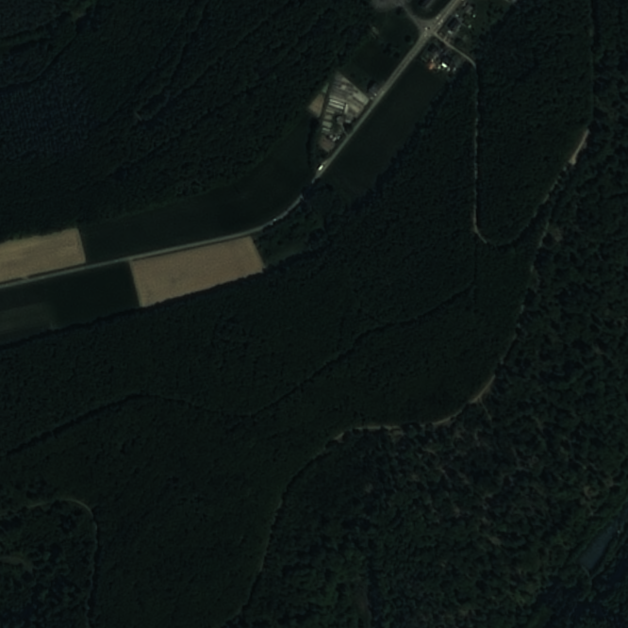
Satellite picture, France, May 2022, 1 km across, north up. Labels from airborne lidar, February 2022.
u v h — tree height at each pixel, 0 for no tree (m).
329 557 41
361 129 0
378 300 14
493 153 16
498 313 15
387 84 0
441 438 35
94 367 17
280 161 0
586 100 22
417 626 27
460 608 9
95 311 0
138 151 23
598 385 31
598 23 20
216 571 17
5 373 15
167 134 22
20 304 0
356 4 26
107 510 14
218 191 0
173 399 8
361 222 23
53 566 32
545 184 15
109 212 16
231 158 26
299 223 7
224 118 26
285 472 13
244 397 10
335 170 0
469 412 11
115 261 0
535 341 6
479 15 0
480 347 14
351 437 13
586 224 26
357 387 12
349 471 18
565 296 34
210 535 12
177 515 19
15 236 14
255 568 10
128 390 12
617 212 29
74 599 28
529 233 16
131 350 15
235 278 0
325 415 13
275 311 14
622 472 12
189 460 13
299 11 30
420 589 29
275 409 16
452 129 16
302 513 15
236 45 29
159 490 11
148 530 12
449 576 26
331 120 0
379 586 28
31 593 8
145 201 19
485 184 15
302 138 0
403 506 24
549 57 28
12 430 17
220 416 10
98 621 16
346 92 0
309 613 28
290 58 28
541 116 24
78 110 23
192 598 12
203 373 17
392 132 0
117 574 17
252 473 11
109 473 16
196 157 23
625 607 29
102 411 13
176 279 0
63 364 16
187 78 27
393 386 15
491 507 30
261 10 29
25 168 18
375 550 31
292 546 15
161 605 11
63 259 0
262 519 12
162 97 28
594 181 18
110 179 19
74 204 19
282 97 28
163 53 27
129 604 15
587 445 34
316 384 11
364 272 15
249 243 0
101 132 26
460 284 16
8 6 29
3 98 19
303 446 16
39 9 28
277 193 0
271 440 16
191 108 24
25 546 12
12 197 20
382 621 31
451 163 15
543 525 34
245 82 26
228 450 12
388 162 0
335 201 23
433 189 17
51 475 15
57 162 18
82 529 10
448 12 0
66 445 12
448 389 13
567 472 36
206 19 21
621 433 32
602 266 26
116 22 26
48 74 20
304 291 14
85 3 30
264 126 28
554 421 32
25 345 14
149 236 0
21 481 17
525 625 21
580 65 30
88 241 0
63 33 0
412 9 0
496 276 14
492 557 29
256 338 14
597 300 34
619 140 17
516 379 35
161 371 10
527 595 34
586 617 26
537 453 32
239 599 16
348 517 14
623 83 24
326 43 29
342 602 18
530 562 17
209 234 0
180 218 0
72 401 16
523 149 21
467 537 24
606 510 17
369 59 0
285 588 18
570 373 29
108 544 13
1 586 11
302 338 14
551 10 27
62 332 10
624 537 7
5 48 0
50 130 26
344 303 14
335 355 10
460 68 0
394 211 19
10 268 0
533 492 31
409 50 0
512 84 25
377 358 14
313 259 19
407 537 23
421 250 17
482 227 17
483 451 20
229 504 13
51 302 0
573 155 0
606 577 6
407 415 9
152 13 25
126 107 28
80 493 16
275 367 13
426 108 0
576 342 7
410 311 17
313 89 25
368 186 0
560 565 13
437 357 13
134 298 0
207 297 14
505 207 20
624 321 37
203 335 14
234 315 15
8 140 20
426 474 30
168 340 15
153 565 12
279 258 0
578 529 14
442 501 30
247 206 0
